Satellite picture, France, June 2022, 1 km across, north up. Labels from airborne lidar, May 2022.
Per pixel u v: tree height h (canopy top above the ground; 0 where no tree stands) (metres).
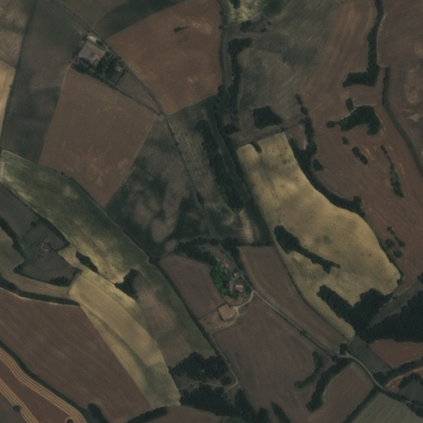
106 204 0
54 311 0
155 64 0
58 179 0
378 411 0
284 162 0
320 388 15
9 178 0
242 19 0
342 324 0
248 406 14
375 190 0
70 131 0
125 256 0
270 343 0
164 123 0
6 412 0
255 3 0
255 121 12
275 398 0
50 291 0
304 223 0
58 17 0
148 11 0
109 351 0
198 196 10
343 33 0
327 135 0
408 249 0
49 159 0
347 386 0
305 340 0
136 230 0
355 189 0
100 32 0
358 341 0
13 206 0
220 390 16
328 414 0
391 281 0
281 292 0
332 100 0
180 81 0
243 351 0
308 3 0
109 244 0
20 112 0
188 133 0
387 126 0
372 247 0
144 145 0
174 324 0
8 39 0
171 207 0
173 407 0
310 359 0
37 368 0
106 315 0
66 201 0
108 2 0
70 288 0
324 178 0
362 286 0
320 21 0
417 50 0
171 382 0
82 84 0
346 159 0
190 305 0
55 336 0
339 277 0
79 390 0
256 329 0
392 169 8
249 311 0
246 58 0
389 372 8
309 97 0
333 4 0
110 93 0
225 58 0
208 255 9
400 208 0
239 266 9
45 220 9
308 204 0
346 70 0
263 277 0
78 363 0
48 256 0
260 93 0
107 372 0
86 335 0
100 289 0
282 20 0
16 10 0
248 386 0
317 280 0
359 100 0
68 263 0
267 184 0
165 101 0
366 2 0
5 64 0
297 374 0
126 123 0
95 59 0
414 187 0
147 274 0
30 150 0
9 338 0
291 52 0
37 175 0
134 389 0
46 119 0
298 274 0
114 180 0
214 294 0
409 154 0
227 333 0
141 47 0
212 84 0
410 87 0
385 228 0
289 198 0
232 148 15
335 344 0
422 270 0
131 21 0
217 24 0
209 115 0
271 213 0
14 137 0
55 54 0
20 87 0
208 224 0
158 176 0
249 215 0
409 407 9
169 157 0
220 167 15
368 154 0
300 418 0
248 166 0
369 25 0
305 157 9
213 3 0
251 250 0
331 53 0
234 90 16
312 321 0
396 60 0
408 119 0
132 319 0
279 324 0
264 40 0
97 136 0
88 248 0
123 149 0
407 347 0
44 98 0
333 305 11
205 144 9
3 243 0
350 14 0
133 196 0
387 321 15
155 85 0
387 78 9
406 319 19
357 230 0
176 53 0
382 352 0
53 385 0
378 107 0
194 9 0
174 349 0
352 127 11
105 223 0
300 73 0
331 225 0
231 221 0
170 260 0
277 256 0
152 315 0
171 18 0
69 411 0
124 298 0
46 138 0
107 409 0
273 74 0
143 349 0
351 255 0
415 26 0
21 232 0
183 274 0
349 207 11
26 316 0
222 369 16
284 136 0
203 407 13
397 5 0
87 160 0
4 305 0
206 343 0
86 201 0
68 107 0
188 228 0
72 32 0
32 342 0
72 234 0
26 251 0
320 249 0
